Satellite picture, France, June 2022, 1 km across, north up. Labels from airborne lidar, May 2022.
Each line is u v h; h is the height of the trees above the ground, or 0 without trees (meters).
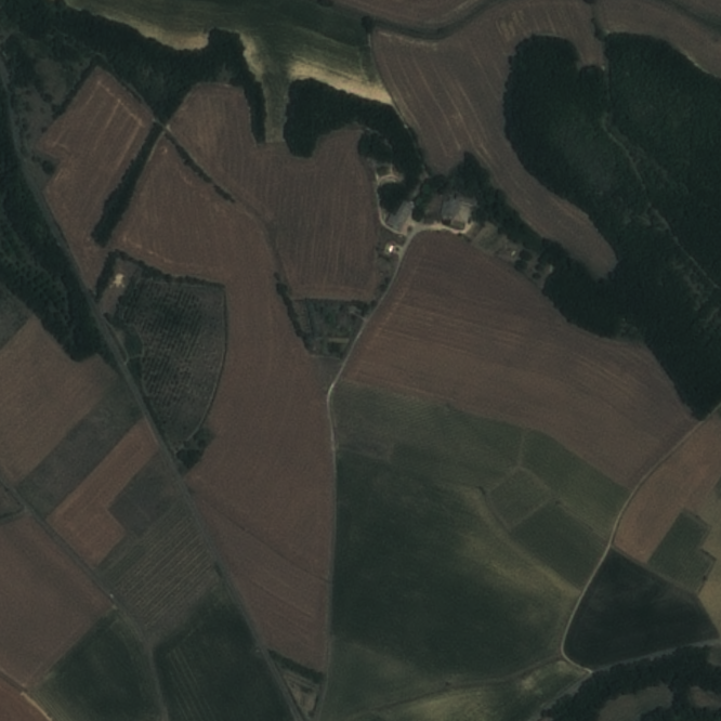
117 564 0
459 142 0
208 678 0
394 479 0
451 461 0
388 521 0
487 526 0
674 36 0
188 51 13
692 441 0
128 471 0
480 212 10
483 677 0
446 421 0
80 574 0
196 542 0
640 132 6
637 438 0
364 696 0
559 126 7
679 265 6
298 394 0
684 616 0
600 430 0
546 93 12
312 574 0
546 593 0
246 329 0
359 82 0
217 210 0
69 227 0
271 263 0
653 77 6
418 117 0
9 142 10
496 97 0
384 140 7
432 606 0
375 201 0
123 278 0
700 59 0
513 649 0
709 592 0
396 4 0
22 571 0
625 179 6
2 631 0
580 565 0
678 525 0
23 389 0
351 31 0
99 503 0
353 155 0
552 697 0
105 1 0
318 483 0
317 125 10
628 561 0
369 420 0
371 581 0
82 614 0
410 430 0
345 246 0
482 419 0
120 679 0
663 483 0
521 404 0
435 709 0
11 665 0
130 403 0
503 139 0
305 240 0
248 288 0
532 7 0
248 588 0
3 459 0
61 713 0
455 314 0
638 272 14
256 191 0
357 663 0
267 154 0
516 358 0
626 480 0
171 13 0
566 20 0
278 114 0
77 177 0
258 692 0
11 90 10
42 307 15
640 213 6
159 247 0
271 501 0
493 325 0
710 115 9
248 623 0
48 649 0
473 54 0
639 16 0
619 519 0
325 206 0
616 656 0
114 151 0
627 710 0
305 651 0
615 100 8
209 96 0
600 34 12
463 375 0
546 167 19
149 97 10
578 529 0
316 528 0
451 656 0
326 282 0
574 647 0
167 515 0
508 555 0
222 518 0
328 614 0
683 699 20
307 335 7
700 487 0
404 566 0
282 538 0
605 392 0
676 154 7
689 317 13
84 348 21
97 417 0
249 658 0
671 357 18
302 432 0
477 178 15
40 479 0
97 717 0
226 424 0
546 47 12
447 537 0
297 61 0
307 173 0
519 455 0
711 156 7
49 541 0
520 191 0
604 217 7
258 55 0
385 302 0
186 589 0
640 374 0
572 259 14
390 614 0
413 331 0
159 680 0
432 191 11
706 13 0
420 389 0
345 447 0
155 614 0
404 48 0
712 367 15
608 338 9
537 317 0
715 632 0
